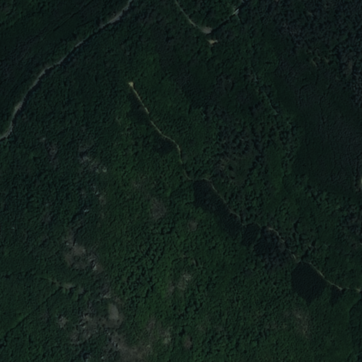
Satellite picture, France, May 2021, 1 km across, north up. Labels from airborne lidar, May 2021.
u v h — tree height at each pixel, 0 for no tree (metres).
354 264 24
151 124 10
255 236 9
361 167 14
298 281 13
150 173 17
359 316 18
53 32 9
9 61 14
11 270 23
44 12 17
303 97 11
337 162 16
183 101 30
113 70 21
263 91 29
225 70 22
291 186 24
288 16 35
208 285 14
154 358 15
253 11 34
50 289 22
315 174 18
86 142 7
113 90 8
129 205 13
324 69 15
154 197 11
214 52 27
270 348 16
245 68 7
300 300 17
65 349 10
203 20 28
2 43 19
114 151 10
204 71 29
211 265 29
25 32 18
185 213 17
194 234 14
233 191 11
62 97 11
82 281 17
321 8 35
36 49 9
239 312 15
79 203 7
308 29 33
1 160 28
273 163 26
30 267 19
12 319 31
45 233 7
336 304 18
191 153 20
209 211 14
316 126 11
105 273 7
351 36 35
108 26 18
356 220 33
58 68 19
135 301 24
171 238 23
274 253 31
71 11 13
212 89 22
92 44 26
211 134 28
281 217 22
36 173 17
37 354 18
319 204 14
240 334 13
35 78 13
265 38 17
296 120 16
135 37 13
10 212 9
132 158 15
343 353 11
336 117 13
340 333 18
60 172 6
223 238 15
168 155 16
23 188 12
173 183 28
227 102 14
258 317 12
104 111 15
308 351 16
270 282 26
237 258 21
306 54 12
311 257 25
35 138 8
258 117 15
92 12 15
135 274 28
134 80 16
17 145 19
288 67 20
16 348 27
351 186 11
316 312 12
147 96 22
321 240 22
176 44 27
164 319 16
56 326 8
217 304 17
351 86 31
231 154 25
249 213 26
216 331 13
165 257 27
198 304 29
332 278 18
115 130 8
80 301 10
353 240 30
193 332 15
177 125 17
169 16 33
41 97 16
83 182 8
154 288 32
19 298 15
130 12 15
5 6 28
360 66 19
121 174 21
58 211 11
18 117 10
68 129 9
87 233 11
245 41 25
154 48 13
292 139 22
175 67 11
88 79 25
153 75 22
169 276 18
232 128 31
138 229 20
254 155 34
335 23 34
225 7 33
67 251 7
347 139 15
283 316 13
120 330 5
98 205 8
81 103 27
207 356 29
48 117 15
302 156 15
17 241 15
